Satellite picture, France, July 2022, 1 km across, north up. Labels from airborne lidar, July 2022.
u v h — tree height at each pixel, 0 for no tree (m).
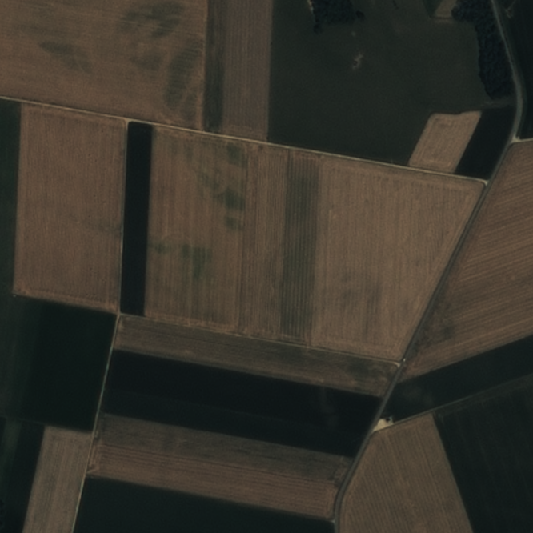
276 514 0
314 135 0
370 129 0
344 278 0
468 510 0
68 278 0
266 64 0
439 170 0
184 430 0
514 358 0
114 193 0
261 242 0
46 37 0
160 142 0
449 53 0
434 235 0
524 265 0
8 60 0
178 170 0
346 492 0
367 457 0
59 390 0
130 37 0
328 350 0
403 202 0
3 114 0
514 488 0
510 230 0
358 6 0
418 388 0
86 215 0
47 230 0
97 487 0
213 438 0
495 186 0
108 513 0
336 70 0
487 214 0
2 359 0
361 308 0
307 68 0
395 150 0
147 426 0
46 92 0
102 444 0
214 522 0
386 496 0
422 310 0
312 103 0
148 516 0
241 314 0
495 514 0
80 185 0
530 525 0
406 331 0
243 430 0
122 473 0
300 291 0
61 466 0
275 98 0
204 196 0
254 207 0
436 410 0
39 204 0
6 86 0
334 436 0
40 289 0
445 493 0
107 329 0
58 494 0
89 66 0
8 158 0
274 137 0
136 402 0
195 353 0
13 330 0
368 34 0
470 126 0
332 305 0
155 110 0
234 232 0
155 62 0
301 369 0
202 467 0
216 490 0
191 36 0
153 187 0
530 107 0
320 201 0
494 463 0
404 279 0
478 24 18
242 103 0
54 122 0
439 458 0
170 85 0
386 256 0
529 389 0
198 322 0
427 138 0
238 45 0
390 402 0
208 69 0
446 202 0
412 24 0
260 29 0
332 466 0
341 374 0
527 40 0
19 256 0
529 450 0
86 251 0
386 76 0
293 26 0
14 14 0
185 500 0
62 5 0
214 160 0
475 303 0
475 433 0
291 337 0
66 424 0
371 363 0
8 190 0
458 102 0
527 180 0
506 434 0
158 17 0
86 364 0
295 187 0
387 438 0
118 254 0
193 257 0
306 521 0
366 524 0
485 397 0
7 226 0
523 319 0
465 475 0
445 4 0
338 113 0
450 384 0
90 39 0
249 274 0
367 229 0
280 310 0
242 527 0
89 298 0
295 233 0
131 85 0
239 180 0
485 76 22
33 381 0
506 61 30
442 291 0
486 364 0
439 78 0
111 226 0
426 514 0
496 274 0
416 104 0
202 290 0
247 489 0
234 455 0
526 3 0
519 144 0
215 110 0
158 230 0
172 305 0
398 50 0
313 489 0
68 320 0
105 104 0
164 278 0
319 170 0
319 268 0
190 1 0
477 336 0
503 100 0
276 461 0
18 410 0
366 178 0
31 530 0
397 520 0
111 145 0
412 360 0
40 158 0
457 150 0
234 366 0
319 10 22
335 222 0
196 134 0
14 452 0
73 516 0
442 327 0
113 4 0
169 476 0
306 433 0
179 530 0
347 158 0
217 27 0
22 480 0
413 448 0
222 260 0
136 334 0
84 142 0
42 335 0
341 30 0
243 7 0
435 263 0
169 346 0
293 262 0
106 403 0
